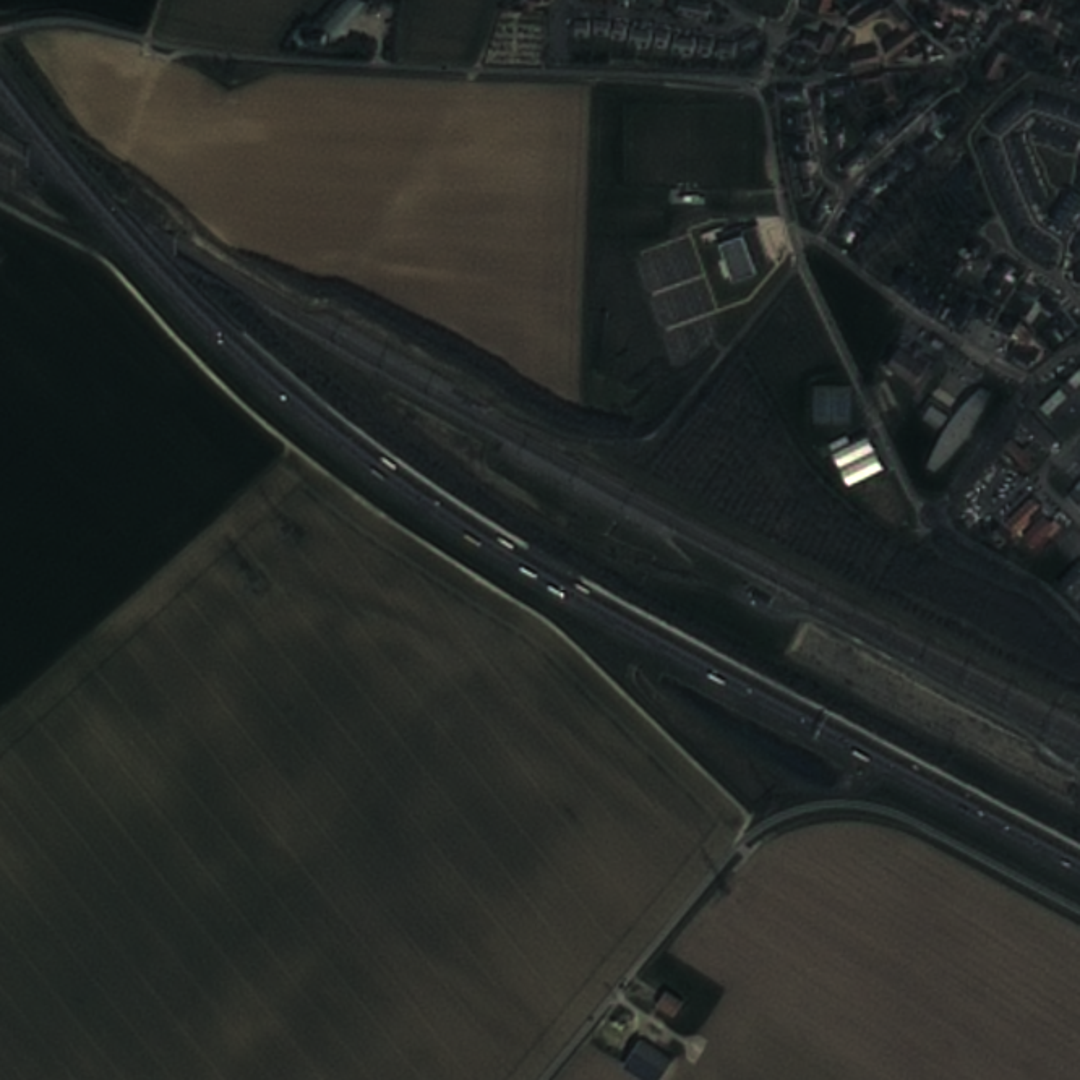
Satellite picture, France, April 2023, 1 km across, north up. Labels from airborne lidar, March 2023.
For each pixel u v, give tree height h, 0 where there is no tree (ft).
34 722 0
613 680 0
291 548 0
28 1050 0
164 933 0
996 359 0
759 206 0
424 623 0
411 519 0
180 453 0
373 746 0
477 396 0
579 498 0
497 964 0
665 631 0
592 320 0
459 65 0
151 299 0
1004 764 0
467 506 0
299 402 0
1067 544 0
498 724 0
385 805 0
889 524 0
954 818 0
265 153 0
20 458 0
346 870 0
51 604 0
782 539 30
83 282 0
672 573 0
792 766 0
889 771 0
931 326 0
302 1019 0
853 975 0
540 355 0
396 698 0
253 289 0
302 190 0
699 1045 0
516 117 0
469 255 0
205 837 0
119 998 0
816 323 0
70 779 0
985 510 0
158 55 0
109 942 0
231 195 0
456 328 0
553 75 0
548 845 0
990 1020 0
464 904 0
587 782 0
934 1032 0
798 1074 0
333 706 0
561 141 0
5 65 0
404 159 0
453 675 0
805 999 0
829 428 0
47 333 0
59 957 0
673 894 0
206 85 0
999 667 0
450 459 0
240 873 0
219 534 0
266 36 0
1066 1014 0
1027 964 0
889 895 0
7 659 0
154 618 0
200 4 0
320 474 0
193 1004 0
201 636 0
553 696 0
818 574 0
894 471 0
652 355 0
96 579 0
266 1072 0
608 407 0
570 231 0
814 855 0
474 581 0
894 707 0
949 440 0
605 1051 0
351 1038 0
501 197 0
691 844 0
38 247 0
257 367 0
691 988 0
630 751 0
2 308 0
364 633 0
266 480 0
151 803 0
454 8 0
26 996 0
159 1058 0
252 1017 0
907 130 0
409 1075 0
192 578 0
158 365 0
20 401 0
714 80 0
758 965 0
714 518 0
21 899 0
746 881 0
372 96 0
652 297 0
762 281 0
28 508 0
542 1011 0
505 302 0
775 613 0
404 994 0
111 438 0
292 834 0
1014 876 0
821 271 0
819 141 0
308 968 0
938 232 96
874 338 0
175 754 0
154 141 0
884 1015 0
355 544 0
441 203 0
